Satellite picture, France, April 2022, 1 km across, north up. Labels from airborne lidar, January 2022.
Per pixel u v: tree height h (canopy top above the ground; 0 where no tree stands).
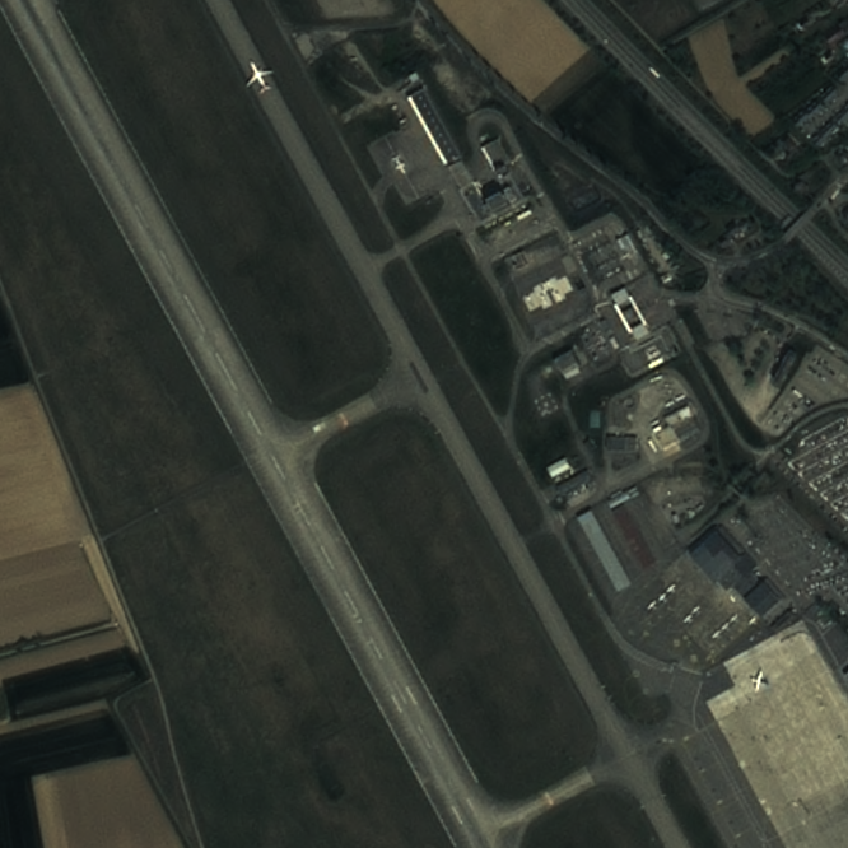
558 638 0
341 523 0
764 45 0
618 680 0
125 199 0
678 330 0
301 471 0
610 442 0
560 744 0
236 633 0
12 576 0
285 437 0
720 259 0
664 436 0
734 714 0
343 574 0
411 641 0
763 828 0
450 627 0
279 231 0
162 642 0
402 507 0
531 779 0
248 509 0
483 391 0
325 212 0
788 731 0
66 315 0
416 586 0
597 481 0
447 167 0
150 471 0
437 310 0
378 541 0
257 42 0
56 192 0
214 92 0
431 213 0
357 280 0
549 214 0
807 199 6
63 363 0
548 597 0
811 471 0
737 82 0
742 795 0
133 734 0
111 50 0
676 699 0
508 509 0
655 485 0
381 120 0
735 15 8
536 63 0
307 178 0
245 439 0
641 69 0
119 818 0
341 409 0
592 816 0
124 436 0
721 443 0
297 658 0
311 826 0
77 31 0
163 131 0
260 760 0
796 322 0
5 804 0
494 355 0
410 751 0
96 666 0
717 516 0
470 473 0
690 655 0
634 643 0
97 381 0
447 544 0
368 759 0
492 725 0
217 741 0
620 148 0
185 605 0
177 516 0
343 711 0
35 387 0
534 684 0
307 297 0
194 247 0
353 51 0
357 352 0
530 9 0
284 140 0
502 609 0
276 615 0
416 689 0
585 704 0
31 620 0
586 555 0
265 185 0
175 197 0
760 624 0
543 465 0
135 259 0
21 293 0
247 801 0
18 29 0
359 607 0
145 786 0
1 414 0
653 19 0
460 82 0
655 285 0
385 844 0
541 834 0
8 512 0
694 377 0
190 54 0
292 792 0
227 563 0
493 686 0
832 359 0
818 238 0
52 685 0
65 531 0
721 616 0
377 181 0
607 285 0
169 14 0
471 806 0
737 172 0
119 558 0
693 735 0
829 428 0
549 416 0
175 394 0
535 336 0
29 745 0
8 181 0
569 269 0
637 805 0
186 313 0
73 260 0
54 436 0
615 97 0
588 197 0
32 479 0
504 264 0
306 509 0
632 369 0
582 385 0
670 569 0
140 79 0
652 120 0
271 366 0
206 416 0
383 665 0
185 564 0
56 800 0
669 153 0
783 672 0
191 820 0
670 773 0
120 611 0
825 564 0
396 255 0
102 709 0
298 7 0
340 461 0
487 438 0
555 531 0
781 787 0
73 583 0
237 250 0
